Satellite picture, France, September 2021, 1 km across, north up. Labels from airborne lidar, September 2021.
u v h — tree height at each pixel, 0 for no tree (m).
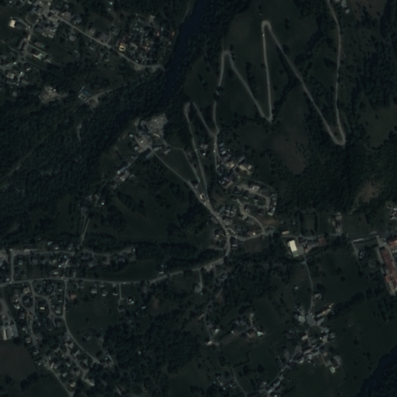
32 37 0
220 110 0
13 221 18
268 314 0
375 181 11
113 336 19
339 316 24
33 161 10
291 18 0
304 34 0
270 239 7
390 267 0
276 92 11
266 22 0
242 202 0
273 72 0
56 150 15
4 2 12
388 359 0
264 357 0
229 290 14
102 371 19
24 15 0
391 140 20
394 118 0
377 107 13
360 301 19
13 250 0
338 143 0
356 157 22
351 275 0
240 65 0
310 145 9
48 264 10
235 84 0
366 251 10
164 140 12
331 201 17
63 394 0
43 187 13
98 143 20
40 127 26
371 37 0
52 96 0
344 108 11
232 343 0
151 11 13
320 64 0
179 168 0
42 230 13
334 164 19
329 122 17
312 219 0
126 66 15
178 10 7
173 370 19
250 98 0
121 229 18
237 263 6
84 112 14
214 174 7
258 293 13
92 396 17
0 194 7
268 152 10
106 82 11
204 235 0
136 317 16
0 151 20
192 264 22
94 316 0
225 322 0
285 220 0
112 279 0
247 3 16
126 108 15
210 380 6
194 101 0
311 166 12
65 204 0
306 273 0
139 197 0
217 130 0
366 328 0
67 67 8
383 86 15
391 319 9
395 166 19
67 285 0
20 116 15
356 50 0
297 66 16
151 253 19
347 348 0
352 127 17
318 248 8
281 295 7
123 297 0
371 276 11
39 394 0
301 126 0
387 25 12
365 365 0
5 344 0
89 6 14
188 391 0
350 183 22
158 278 0
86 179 19
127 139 0
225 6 27
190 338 16
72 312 0
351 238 0
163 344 17
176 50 9
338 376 0
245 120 11
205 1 14
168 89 16
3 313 0
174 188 16
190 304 10
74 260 12
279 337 0
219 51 18
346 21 0
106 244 7
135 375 15
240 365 7
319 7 23
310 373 0
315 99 10
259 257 9
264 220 0
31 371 0
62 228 0
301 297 0
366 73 11
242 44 0
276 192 12
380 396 26
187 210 0
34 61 0
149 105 28
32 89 15
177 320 9
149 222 0
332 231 0
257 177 8
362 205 17
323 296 10
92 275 0
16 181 9
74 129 17
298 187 11
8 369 0
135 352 23
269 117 0
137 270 0
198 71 0
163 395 13
